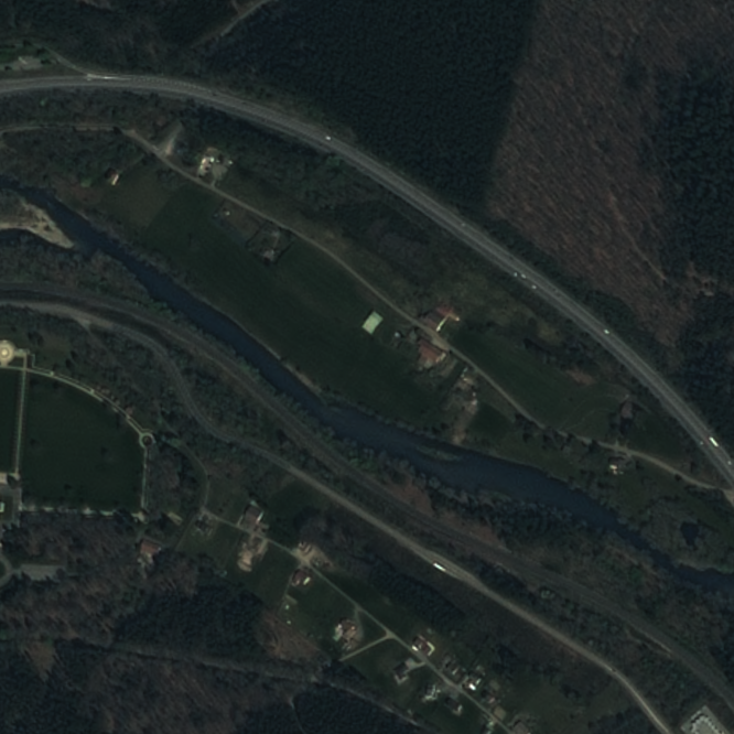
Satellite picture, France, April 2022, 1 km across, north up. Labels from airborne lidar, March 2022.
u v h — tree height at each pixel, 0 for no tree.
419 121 30
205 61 15
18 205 12
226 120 16
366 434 0
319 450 0
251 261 0
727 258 32
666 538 22
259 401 0
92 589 30
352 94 35
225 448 15
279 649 0
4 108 14
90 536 31
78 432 0
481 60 35
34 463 0
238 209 0
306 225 0
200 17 25
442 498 13
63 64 0
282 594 0
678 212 7
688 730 0
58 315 0
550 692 0
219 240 0
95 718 24
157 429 8
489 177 28
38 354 0
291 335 0
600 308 8
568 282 10
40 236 0
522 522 32
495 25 32
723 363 22
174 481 26
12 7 22
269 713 22
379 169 0
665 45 23
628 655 23
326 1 20
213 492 0
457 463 0
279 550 0
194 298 12
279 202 0
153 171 18
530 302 0
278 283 0
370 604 0
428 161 34
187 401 0
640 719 24
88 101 14
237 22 0
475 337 0
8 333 0
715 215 26
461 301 0
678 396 0
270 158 26
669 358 19
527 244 14
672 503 13
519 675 23
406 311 0
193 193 0
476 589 0
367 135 32
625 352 0
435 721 0
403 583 26
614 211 26
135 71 19
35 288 0
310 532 27
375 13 30
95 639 30
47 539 32
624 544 21
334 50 24
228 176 0
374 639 0
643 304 16
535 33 27
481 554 0
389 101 25
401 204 9
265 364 0
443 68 23
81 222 0
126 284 21
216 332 0
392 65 25
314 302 0
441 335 0
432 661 0
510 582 23
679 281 24
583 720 0
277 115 0
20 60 0
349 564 25
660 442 0
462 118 23
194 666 27
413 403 0
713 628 10
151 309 8
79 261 13
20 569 0
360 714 26
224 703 29
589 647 19
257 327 0
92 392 0
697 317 27
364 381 0
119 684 29
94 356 23
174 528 30
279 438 0
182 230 0
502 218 23
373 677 0
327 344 0
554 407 0
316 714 27
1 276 13
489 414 0
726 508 16
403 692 0
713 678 0
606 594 0
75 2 21
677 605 24
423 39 33
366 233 7
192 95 0
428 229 12
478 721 0
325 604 0
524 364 0
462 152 29
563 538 24
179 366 17
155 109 7
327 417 0
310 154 11
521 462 0
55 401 0
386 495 0
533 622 0
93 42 24
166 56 21
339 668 17
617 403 0
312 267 0
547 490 0
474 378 8
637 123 0
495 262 0
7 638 20
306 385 0
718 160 26
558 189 23
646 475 12
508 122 22
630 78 23
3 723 30
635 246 0
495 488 0
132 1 23
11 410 0
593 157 29
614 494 20
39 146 13
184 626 25
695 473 16
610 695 0
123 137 21
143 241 0
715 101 29
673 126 13
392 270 0
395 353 0
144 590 28
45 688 23
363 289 0
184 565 19
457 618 31
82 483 0
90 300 0
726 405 27
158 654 23
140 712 29
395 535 0
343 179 25
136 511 0
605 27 28
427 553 0
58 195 0
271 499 0
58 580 0
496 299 0
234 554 0
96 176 18
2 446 0
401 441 0
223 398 32
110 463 14
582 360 30
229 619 25
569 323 6
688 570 0
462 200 30
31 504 18
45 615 27
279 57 19
